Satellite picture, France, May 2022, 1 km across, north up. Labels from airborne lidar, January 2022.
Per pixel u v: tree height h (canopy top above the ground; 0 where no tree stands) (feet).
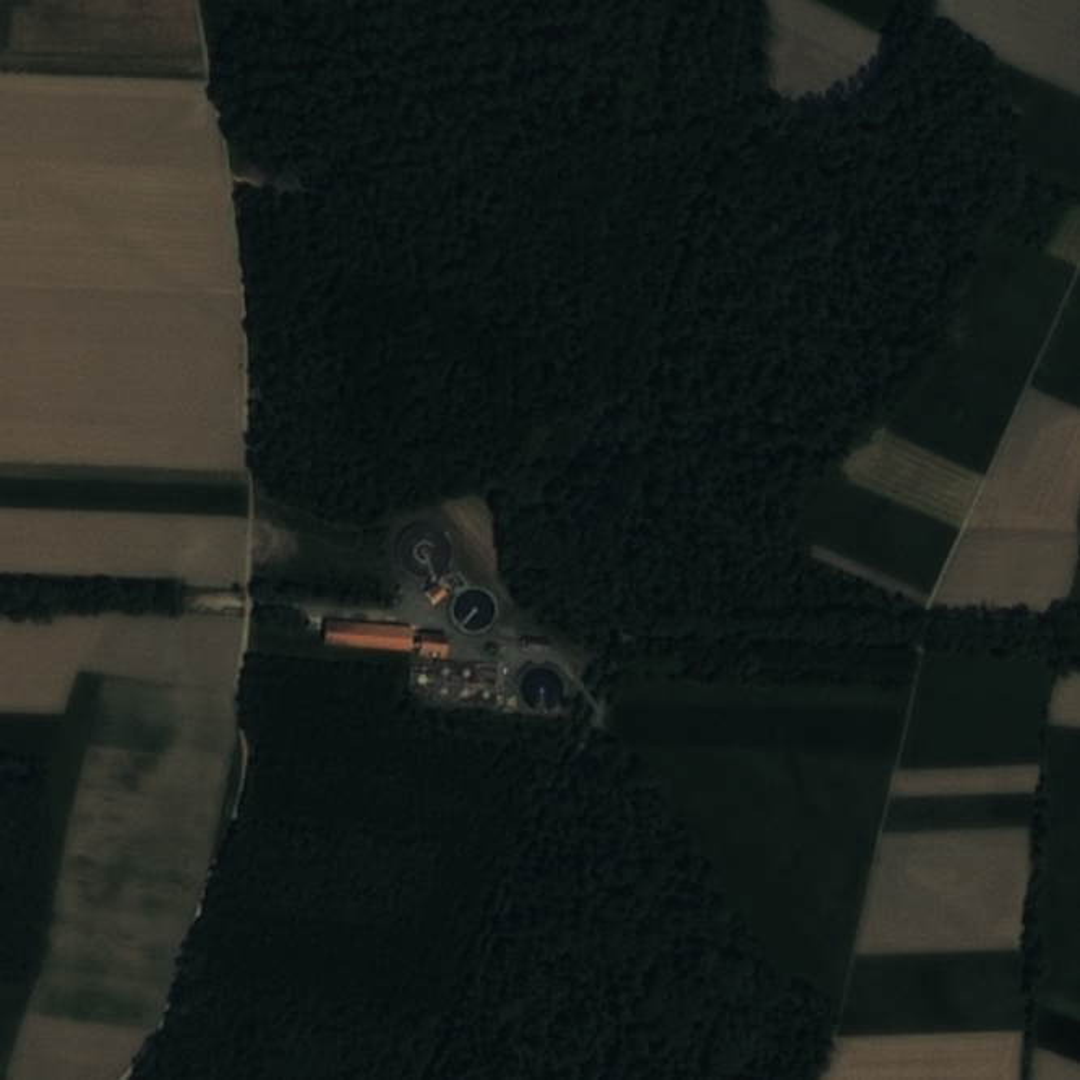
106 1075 0
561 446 0
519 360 89
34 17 0
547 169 68
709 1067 87
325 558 0
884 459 0
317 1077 31
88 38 0
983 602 0
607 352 77
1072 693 0
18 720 0
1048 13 0
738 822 0
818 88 0
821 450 29
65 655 0
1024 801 0
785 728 0
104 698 0
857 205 48
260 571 0
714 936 94
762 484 85
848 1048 0
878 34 0
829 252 35
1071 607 52
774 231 80
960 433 0
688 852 84
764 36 72
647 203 84
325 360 61
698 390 92
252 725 42
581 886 95
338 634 0
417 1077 38
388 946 33
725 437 40
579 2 74
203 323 0
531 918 97
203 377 0
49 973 0
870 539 0
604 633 46
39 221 0
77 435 0
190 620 0
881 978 0
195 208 0
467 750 33
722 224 75
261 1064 52
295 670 33
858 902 0
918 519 0
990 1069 0
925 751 0
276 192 33
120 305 0
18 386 0
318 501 64
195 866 0
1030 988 46
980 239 82
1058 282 0
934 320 71
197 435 0
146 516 0
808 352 76
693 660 37
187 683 0
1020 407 0
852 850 0
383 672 27
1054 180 0
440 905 29
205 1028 45
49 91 0
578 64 95
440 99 88
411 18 97
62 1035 0
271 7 0
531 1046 100
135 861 0
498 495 38
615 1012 98
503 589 26
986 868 0
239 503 0
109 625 0
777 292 92
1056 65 0
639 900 102
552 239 68
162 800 0
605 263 72
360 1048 37
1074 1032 0
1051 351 0
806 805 0
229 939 29
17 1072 0
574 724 20
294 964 28
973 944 0
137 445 0
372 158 78
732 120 67
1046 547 0
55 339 0
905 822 0
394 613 0
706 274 89
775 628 64
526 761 33
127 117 0
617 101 88
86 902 0
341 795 24
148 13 0
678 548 90
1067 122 0
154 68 0
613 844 99
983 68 58
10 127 0
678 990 96
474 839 31
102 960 0
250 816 27
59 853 0
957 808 0
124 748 0
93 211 0
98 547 0
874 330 26
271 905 43
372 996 32
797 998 28
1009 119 74
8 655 0
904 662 66
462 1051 59
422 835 31
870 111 84
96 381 0
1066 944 0
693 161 70
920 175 45
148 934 0
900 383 84
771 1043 84
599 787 93
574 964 99
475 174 71
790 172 28
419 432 71
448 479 74
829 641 66
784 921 0
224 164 0
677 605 76
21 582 35
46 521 0
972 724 0
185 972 41
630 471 119
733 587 55
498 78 79
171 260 0
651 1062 50
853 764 0
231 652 0
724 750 0
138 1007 0
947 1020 0
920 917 0
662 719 0
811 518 0
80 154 0
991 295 0
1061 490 0
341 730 32
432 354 55
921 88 52
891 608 70
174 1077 46
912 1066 0
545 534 82
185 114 0
